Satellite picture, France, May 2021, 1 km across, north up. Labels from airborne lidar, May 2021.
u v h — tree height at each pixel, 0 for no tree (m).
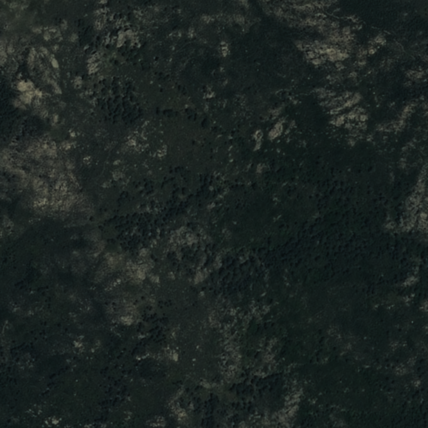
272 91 0
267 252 22
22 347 13
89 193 0
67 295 0
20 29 0
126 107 17
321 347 9
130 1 0
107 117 13
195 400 13
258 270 14
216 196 11
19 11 0
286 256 20
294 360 9
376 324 7
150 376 6
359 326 6
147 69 16
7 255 7
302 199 12
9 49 0
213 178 16
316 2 0
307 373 7
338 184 24
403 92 6
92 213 0
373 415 12
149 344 12
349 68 0
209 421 13
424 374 14
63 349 0
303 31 8
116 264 0
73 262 0
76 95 0
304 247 18
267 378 17
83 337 0
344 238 19
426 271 18
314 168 6
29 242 5
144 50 8
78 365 0
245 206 11
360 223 16
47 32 0
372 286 11
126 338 6
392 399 6
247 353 7
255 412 6
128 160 0
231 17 0
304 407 6
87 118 0
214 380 11
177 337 0
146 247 11
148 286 0
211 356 0
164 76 15
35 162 0
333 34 0
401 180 8
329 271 6
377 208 15
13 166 0
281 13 0
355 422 7
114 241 13
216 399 15
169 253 11
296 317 5
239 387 20
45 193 0
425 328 0
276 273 6
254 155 9
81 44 12
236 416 15
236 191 14
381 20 7
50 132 0
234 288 8
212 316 0
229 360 8
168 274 0
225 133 12
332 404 9
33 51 0
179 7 12
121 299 0
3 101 10
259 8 7
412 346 6
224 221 5
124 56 17
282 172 14
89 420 10
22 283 11
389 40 6
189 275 9
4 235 0
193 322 0
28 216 0
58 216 0
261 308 17
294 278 6
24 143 0
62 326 14
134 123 12
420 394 20
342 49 0
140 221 11
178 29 10
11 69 0
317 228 20
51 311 8
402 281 10
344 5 5
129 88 16
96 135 0
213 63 7
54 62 0
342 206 12
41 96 0
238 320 14
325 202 18
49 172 0
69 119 0
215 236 8
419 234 17
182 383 13
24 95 0
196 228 22
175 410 0
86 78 17
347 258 17
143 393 0
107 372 12
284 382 9
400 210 11
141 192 11
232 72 6
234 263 18
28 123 15
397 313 8
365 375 12
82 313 0
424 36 7
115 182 12
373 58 6
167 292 0
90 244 0
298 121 11
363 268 17
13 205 5
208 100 15
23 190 0
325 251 5
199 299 0
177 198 21
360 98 0
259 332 15
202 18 0
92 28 12
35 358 10
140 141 6
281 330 9
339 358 15
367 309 6
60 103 0
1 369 18
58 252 0
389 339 18
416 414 7
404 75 7
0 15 0
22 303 0
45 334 13
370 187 16
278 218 6
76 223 0
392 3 6
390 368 17
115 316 0
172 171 20
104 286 0
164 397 0
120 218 16
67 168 0
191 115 14
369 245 18
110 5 17
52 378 18
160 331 11
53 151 0
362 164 7
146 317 12
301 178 12
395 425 13
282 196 6
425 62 5
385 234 19
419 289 7
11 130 8
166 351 0
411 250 15
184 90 17
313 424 11
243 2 0
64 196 0
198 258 13
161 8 0
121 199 14
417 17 7
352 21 9
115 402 14
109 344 8
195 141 18
